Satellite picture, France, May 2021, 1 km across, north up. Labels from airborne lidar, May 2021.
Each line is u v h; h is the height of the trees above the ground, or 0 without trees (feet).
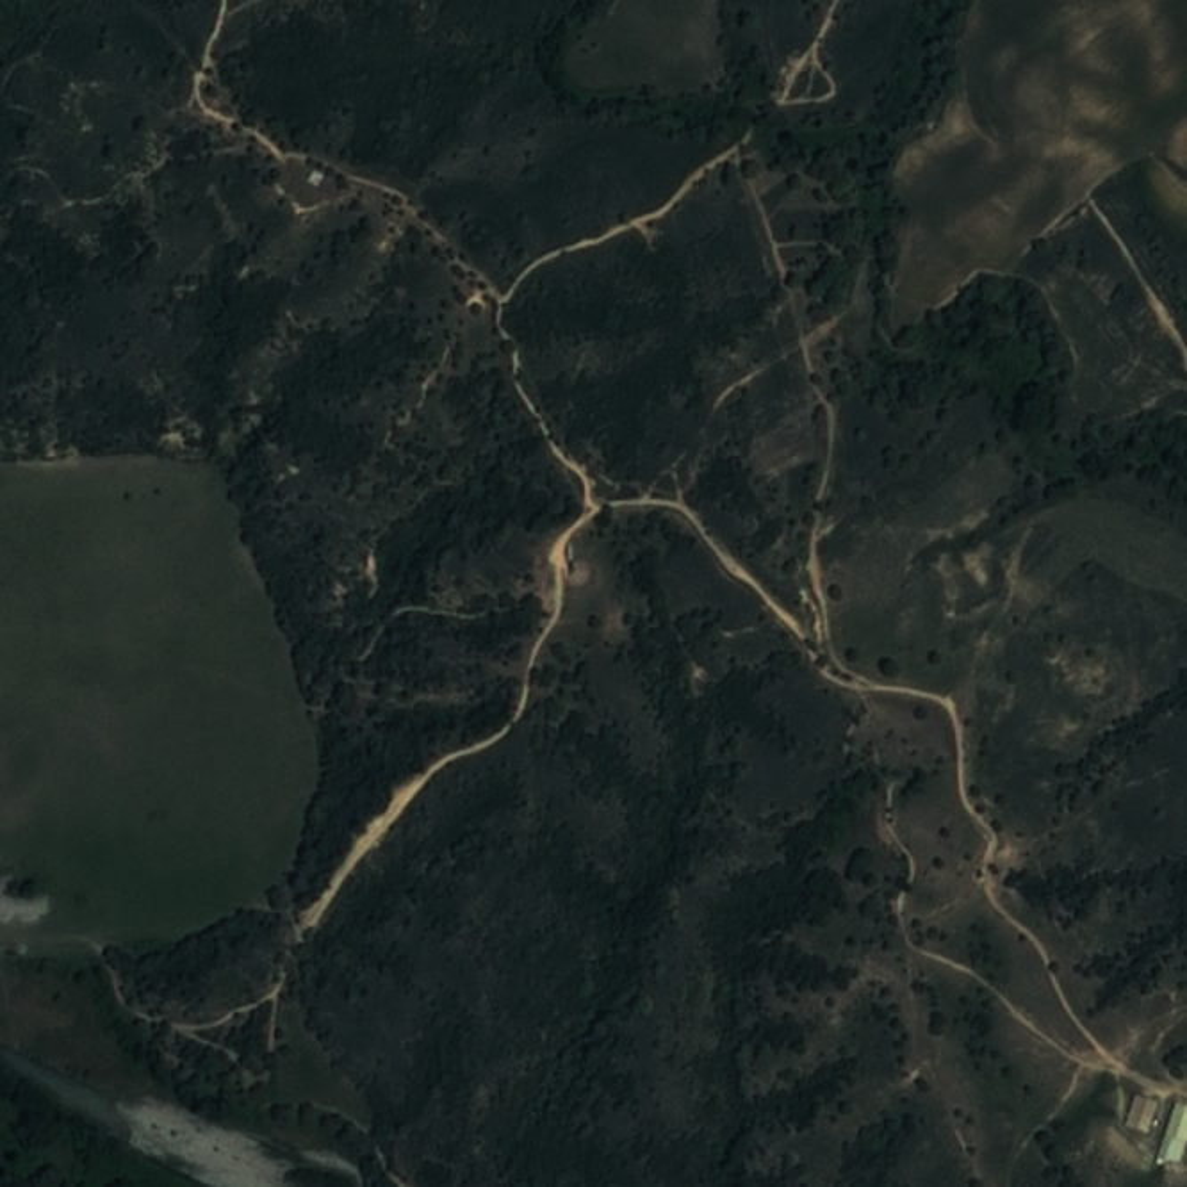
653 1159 23
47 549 0
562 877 27
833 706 0
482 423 17
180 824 0
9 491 0
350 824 21
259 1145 0
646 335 27
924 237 0
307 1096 0
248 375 0
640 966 31
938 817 0
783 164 49
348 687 50
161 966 37
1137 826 0
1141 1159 0
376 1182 33
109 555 0
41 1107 52
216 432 36
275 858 0
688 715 40
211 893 0
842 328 0
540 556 0
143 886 0
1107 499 0
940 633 0
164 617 0
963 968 0
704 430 0
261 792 0
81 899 0
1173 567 0
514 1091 36
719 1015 23
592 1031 36
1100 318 0
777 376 0
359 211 26
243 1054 32
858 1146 20
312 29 26
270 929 31
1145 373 0
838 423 0
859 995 0
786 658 30
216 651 0
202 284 27
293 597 19
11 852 0
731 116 32
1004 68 0
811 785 0
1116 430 30
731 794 19
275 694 0
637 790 27
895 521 0
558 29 40
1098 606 0
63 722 0
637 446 19
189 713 0
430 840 25
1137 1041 0
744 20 42
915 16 22
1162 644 0
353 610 29
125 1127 0
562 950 24
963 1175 0
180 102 0
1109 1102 0
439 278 0
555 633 0
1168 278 21
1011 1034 0
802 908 31
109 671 0
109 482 0
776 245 0
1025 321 38
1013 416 32
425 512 30
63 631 0
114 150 36
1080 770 30
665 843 32
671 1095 0
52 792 0
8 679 0
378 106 21
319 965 23
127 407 28
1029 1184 0
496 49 32
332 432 21
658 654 36
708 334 25
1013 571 0
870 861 39
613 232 0
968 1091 0
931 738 0
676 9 0
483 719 28
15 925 0
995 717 0
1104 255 0
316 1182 23
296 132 36
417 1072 19
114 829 0
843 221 44
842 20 27
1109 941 0
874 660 0
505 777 27
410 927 27
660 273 24
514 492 32
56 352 0
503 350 29
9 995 0
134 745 0
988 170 0
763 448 0
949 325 69
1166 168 0
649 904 45
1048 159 0
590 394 28
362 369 19
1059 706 0
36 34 20
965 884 0
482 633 24
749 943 25
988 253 0
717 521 0
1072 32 0
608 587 0
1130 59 0
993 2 0
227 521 0
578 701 21
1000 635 0
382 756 32
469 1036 23
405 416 22
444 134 27
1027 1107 0
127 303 0
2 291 40
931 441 30
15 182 21
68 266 26
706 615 35
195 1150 0
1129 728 28
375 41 18
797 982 26
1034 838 0
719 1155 20
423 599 37
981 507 0
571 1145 25
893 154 41
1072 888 22
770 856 0
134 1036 28
